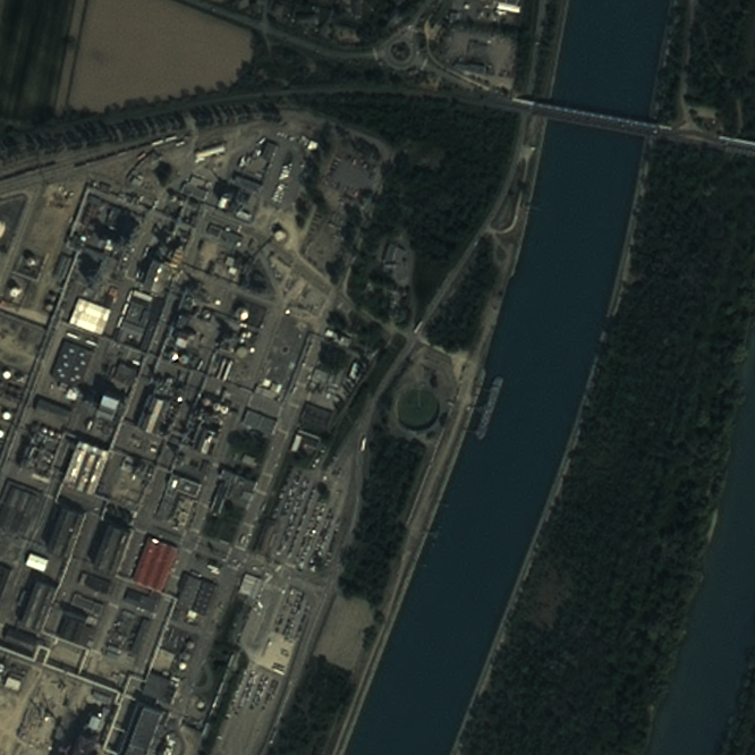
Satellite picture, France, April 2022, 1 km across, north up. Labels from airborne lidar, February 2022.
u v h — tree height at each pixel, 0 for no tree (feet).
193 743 0
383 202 53
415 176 39
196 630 0
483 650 0
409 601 0
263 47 49
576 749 46
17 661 0
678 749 0
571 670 51
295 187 0
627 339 49
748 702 34
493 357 0
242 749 0
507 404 0
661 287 41
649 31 0
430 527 0
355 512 0
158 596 0
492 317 0
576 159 0
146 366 0
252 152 0
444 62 0
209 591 0
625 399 43
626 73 0
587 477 0
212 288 0
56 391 0
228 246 0
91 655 0
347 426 0
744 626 0
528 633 57
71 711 0
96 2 0
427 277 0
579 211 0
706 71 61
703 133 0
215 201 0
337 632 0
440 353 0
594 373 0
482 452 0
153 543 0
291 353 0
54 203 0
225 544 0
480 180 20
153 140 0
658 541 72
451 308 20
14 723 0
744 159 45
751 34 0
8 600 0
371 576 41
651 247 46
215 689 0
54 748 0
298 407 0
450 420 32
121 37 0
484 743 49
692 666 0
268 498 0
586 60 0
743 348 48
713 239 93
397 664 0
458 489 0
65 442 0
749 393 0
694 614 0
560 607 0
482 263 37
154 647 0
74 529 0
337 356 81
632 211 0
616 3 0
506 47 0
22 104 0
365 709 0
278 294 0
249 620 0
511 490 0
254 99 0
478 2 0
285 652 0
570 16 0
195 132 0
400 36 0
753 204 64
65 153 0
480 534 0
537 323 0
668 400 54
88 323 0
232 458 0
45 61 0
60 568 0
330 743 0
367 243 53
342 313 0
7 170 0
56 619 0
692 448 62
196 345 0
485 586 0
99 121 0
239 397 0
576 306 0
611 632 31
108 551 0
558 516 48
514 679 41
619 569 40
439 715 0
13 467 0
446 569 0
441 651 0
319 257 0
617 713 81
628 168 0
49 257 0
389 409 25
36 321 0
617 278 0
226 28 0
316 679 30
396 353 0
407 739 0
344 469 0
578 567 55
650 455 30
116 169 0
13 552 0
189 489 0
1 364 0
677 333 63
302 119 0
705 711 0
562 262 0
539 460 0
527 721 64
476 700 0
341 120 28
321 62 0
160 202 0
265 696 0
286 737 42
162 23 0
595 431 63
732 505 0
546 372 0
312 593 0
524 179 0
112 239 0
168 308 0
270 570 0
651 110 0
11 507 0
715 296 59
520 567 0
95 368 0
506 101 0
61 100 0
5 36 0
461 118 36
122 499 0
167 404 0
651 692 45
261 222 0
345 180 0
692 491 58
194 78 0
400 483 45
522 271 0
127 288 0
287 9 0
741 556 0
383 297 33
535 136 0
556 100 0
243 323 0
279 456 0
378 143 0
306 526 0
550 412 0
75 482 0
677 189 45
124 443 0
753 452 0
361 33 30
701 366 65
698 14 48
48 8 0
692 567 23
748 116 55
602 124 0
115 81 0
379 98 24
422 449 41
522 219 0
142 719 0
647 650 103
